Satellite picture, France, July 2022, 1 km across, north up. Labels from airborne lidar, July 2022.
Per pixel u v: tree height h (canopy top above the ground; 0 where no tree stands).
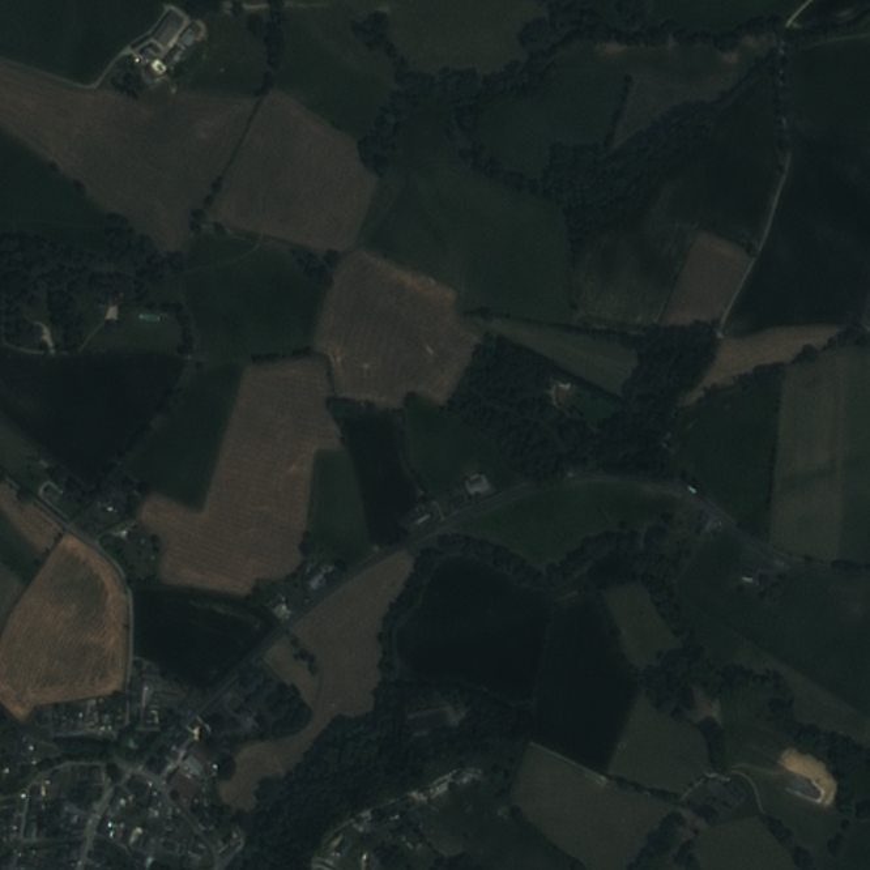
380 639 11
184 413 0
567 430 27
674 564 5
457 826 0
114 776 15
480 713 28
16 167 0
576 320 0
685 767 0
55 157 0
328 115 0
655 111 0
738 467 0
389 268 0
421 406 0
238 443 0
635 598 0
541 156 0
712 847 0
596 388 17
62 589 0
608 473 8
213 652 0
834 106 0
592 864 0
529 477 20
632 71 0
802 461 0
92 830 0
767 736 0
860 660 0
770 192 0
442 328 0
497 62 0
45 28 0
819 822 0
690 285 0
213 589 0
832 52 0
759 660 0
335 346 0
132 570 6
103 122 0
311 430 0
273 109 0
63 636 0
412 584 13
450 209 0
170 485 0
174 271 21
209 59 0
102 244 0
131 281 6
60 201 0
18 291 10
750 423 0
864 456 0
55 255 19
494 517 0
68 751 13
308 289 0
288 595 0
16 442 0
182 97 0
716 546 0
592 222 22
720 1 0
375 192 0
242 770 0
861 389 0
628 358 0
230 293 0
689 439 0
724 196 0
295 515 0
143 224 0
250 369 0
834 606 0
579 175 22
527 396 12
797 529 0
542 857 0
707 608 0
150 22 0
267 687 28
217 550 0
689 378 23
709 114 26
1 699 0
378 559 0
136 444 20
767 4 0
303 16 0
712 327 13
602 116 0
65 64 0
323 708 0
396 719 16
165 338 0
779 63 19
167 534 0
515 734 21
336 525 0
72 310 8
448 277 0
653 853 18
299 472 0
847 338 17
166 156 0
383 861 11
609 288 0
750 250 12
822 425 0
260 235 0
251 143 0
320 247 0
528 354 22
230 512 0
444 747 21
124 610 0
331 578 6
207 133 0
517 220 0
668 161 24
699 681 19
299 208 0
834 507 0
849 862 0
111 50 0
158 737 14
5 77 0
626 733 0
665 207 0
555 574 21
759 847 0
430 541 0
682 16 0
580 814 0
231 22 0
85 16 0
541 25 23
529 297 0
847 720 0
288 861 27
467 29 0
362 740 35
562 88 0
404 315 0
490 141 0
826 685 0
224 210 0
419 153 0
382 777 30
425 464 0
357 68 0
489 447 0
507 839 0
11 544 0
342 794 26
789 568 0
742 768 0
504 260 0
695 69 0
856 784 0
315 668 12
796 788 0
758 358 0
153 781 0
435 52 0
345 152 0
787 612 0
